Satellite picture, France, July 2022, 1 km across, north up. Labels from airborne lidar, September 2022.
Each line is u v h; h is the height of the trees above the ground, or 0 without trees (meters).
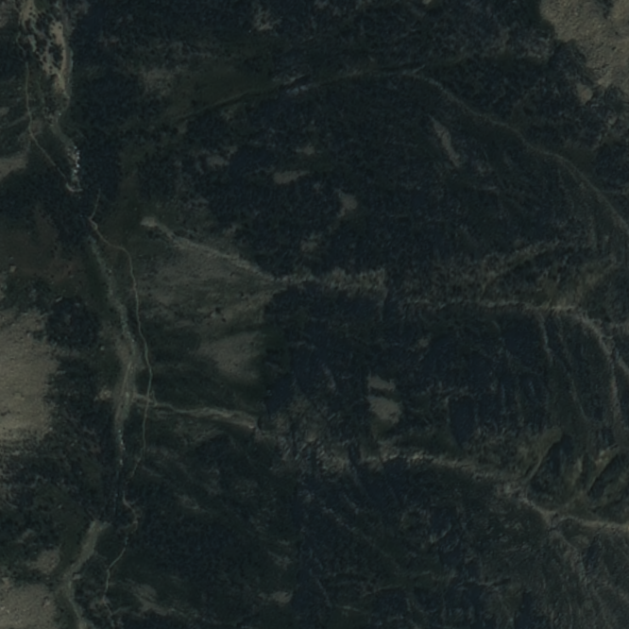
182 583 0
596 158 0
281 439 0
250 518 8
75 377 8
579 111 7
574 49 0
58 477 10
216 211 11
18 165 0
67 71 0
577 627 0
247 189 13
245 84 0
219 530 7
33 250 0
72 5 9
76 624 0
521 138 0
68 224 7
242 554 7
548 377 9
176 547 6
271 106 6
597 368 0
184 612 0
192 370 0
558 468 7
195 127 8
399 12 9
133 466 0
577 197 0
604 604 0
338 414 6
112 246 0
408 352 14
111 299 0
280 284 0
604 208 0
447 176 0
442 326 0
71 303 8
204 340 0
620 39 0
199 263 0
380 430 0
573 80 7
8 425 0
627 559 0
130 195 0
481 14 10
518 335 11
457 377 8
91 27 8
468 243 0
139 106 8
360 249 8
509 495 0
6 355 0
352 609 0
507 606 0
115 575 0
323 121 9
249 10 11
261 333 0
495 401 8
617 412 0
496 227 0
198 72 0
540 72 11
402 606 7
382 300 0
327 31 6
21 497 7
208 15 12
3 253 0
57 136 0
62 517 0
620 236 0
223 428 0
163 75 0
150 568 0
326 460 0
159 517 10
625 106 0
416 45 13
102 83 11
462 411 13
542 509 0
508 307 0
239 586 6
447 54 10
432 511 9
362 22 9
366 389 8
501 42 6
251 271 0
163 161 9
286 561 0
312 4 9
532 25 6
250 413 0
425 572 0
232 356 0
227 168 9
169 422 0
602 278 0
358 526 0
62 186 7
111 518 9
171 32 10
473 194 9
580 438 0
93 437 12
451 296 10
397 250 10
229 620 0
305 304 9
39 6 0
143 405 0
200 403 0
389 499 11
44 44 7
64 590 0
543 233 8
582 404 0
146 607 0
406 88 7
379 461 0
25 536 0
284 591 0
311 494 0
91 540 0
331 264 8
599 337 0
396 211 9
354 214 0
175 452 0
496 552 0
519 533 0
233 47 0
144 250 0
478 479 0
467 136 6
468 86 11
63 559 0
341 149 12
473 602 0
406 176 12
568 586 0
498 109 10
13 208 10
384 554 0
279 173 0
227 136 6
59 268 0
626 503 0
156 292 0
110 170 10
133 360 0
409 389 6
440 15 10
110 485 12
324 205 8
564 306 0
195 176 9
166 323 0
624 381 0
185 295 0
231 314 0
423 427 9
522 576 0
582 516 0
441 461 0
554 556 0
